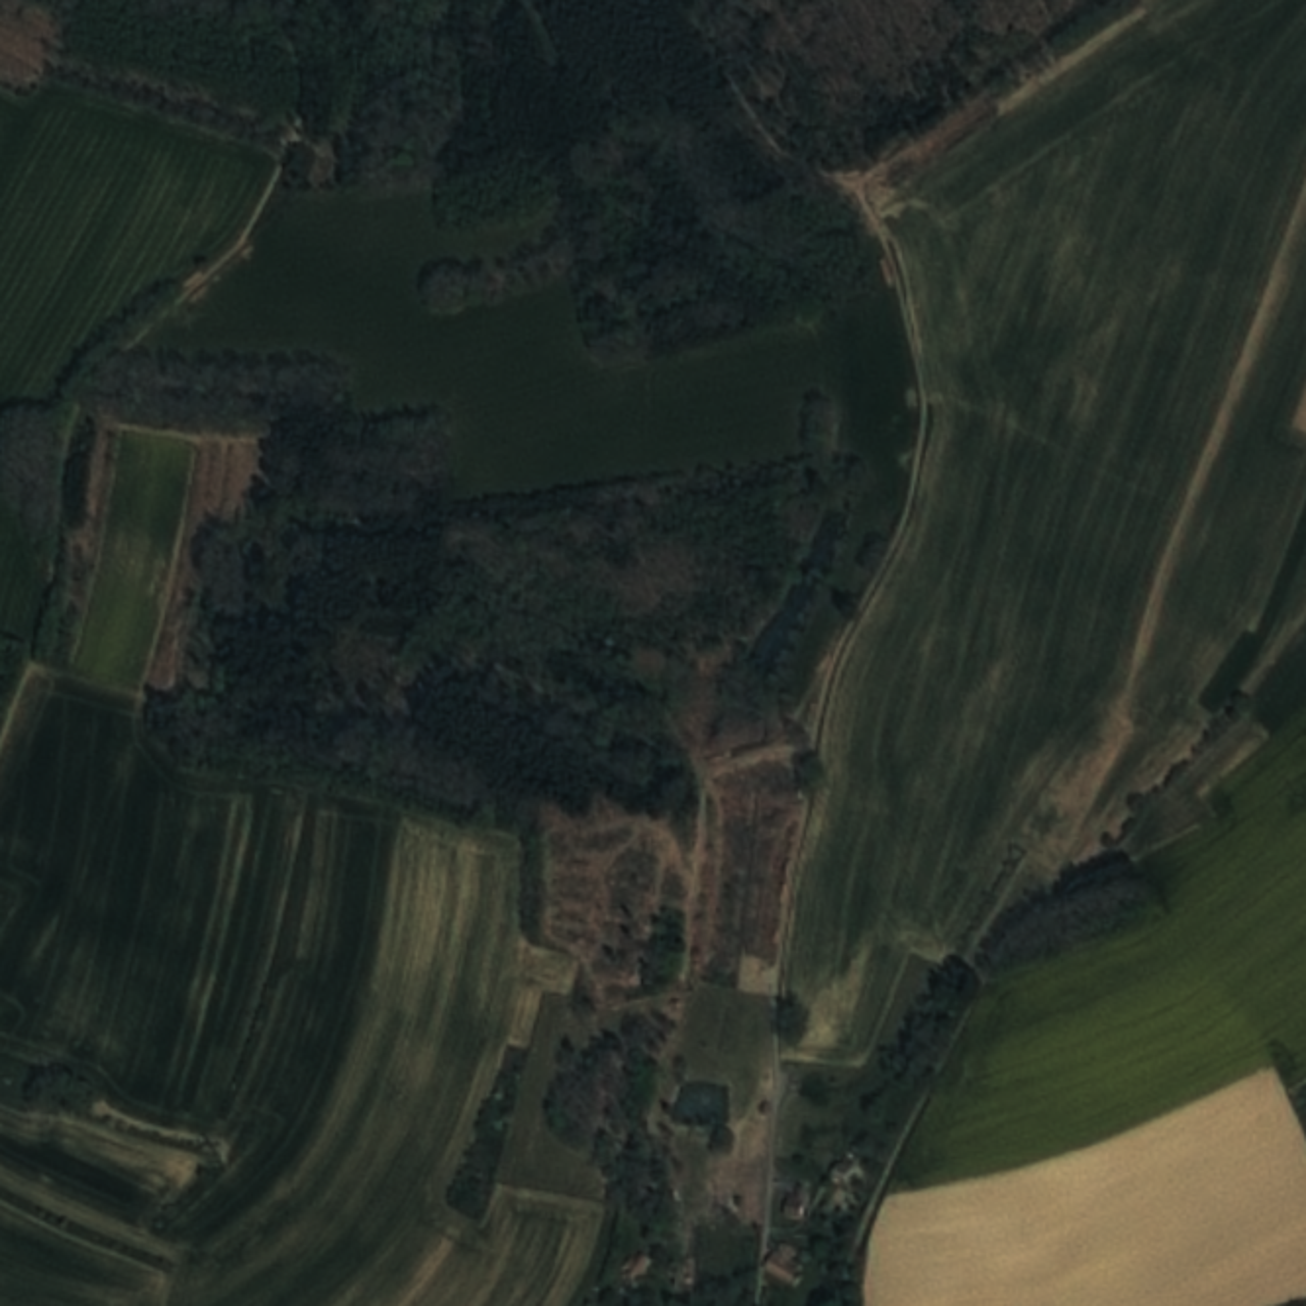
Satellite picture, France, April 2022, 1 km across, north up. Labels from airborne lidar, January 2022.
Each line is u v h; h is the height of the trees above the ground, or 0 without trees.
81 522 10
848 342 0
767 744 25
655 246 17
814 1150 0
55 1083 18
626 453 0
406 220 0
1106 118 0
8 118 0
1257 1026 0
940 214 0
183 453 0
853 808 0
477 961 0
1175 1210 0
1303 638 0
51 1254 0
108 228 0
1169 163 0
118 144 0
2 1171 0
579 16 27
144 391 29
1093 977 0
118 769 0
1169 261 0
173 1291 0
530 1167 0
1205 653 0
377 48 14
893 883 0
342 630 28
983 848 0
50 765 0
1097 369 0
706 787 26
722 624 13
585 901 20
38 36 17
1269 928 0
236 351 0
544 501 12
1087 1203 0
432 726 30
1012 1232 0
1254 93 0
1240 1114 0
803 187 17
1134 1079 0
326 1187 0
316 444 25
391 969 0
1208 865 0
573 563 16
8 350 0
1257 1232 0
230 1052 0
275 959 0
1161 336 0
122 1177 0
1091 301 0
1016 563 0
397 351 0
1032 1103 0
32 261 0
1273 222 0
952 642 0
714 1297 15
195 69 16
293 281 0
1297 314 0
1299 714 0
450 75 27
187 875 0
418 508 29
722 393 0
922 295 0
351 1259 0
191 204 0
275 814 0
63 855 0
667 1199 15
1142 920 19
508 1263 0
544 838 20
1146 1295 0
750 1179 27
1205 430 0
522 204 23
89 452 6
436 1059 0
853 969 0
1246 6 0
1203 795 0
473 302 18
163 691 23
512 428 0
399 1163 0
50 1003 0
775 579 23
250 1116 0
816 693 0
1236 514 0
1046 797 0
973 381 0
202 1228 0
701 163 22
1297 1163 0
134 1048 0
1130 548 0
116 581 0
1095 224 0
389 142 30
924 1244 0
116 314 0
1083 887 20
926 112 14
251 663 33
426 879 0
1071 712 0
